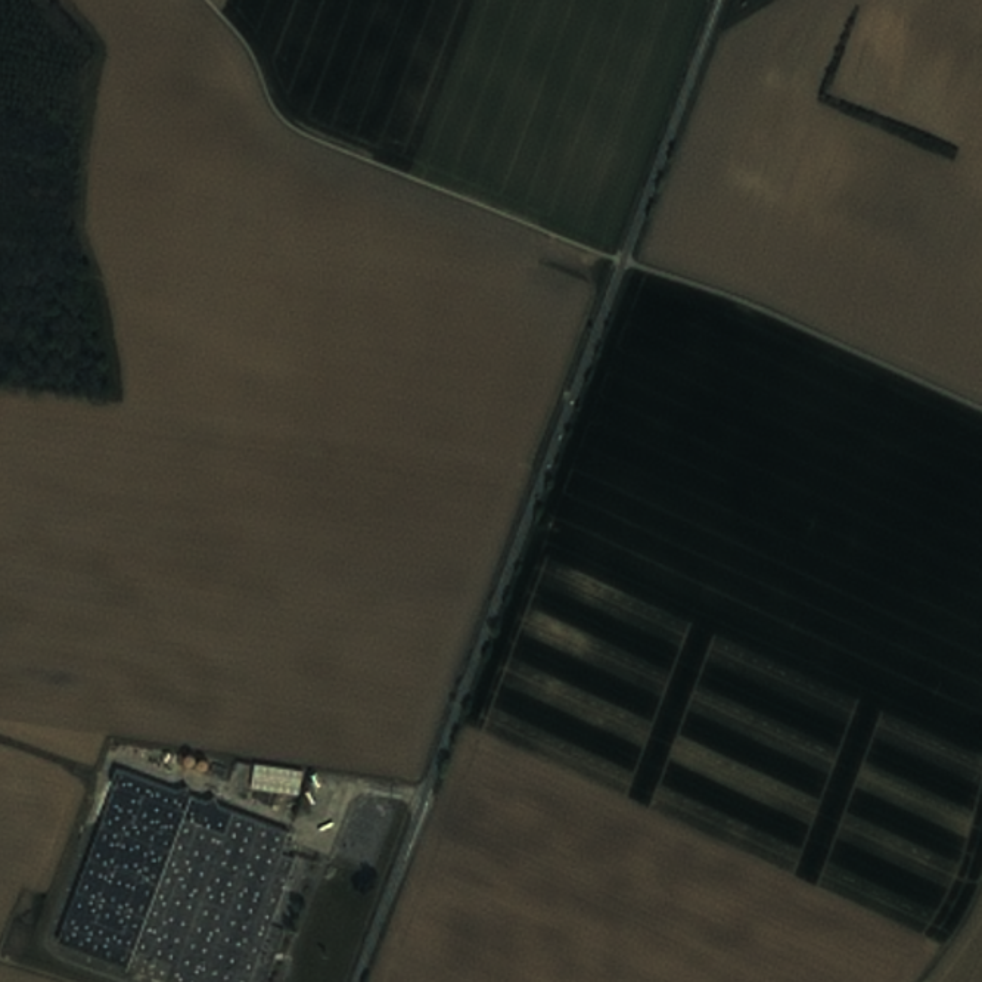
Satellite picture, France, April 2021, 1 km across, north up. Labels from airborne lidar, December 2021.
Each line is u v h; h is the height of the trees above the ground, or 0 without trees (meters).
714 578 0
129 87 0
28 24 27
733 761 0
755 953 0
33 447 0
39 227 20
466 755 0
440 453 0
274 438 0
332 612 0
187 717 0
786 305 0
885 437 0
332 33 0
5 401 0
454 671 0
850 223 0
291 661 0
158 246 0
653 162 0
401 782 0
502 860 0
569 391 0
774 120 0
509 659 0
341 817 0
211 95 0
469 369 0
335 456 0
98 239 0
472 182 0
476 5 0
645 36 0
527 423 0
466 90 0
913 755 0
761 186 0
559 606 0
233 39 0
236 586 0
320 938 0
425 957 0
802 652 0
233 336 0
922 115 0
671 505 0
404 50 0
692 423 0
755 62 0
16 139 25
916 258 0
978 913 0
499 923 0
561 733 0
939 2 0
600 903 0
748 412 0
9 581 0
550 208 0
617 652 0
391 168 0
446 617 0
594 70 0
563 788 0
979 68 0
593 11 0
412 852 0
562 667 0
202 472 0
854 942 0
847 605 0
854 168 0
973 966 0
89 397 12
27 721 0
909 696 0
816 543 0
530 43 0
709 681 0
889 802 0
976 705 0
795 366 0
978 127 0
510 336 0
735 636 0
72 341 17
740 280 0
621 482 0
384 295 0
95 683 0
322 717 0
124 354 0
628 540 0
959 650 0
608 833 0
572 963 0
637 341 0
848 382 0
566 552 0
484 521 0
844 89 0
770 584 0
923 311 0
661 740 0
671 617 0
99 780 0
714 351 0
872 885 0
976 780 0
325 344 0
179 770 0
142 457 0
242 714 0
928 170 0
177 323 0
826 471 0
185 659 0
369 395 0
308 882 0
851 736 0
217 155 0
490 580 0
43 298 22
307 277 0
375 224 0
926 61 0
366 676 0
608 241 0
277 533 0
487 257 0
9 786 0
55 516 0
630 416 0
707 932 0
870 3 0
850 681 0
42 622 0
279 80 0
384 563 0
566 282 0
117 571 0
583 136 0
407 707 0
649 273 0
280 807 0
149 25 0
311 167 0
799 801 0
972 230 0
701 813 0
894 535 0
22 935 0
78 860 0
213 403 0
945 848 0
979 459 0
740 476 0
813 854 0
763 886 0
